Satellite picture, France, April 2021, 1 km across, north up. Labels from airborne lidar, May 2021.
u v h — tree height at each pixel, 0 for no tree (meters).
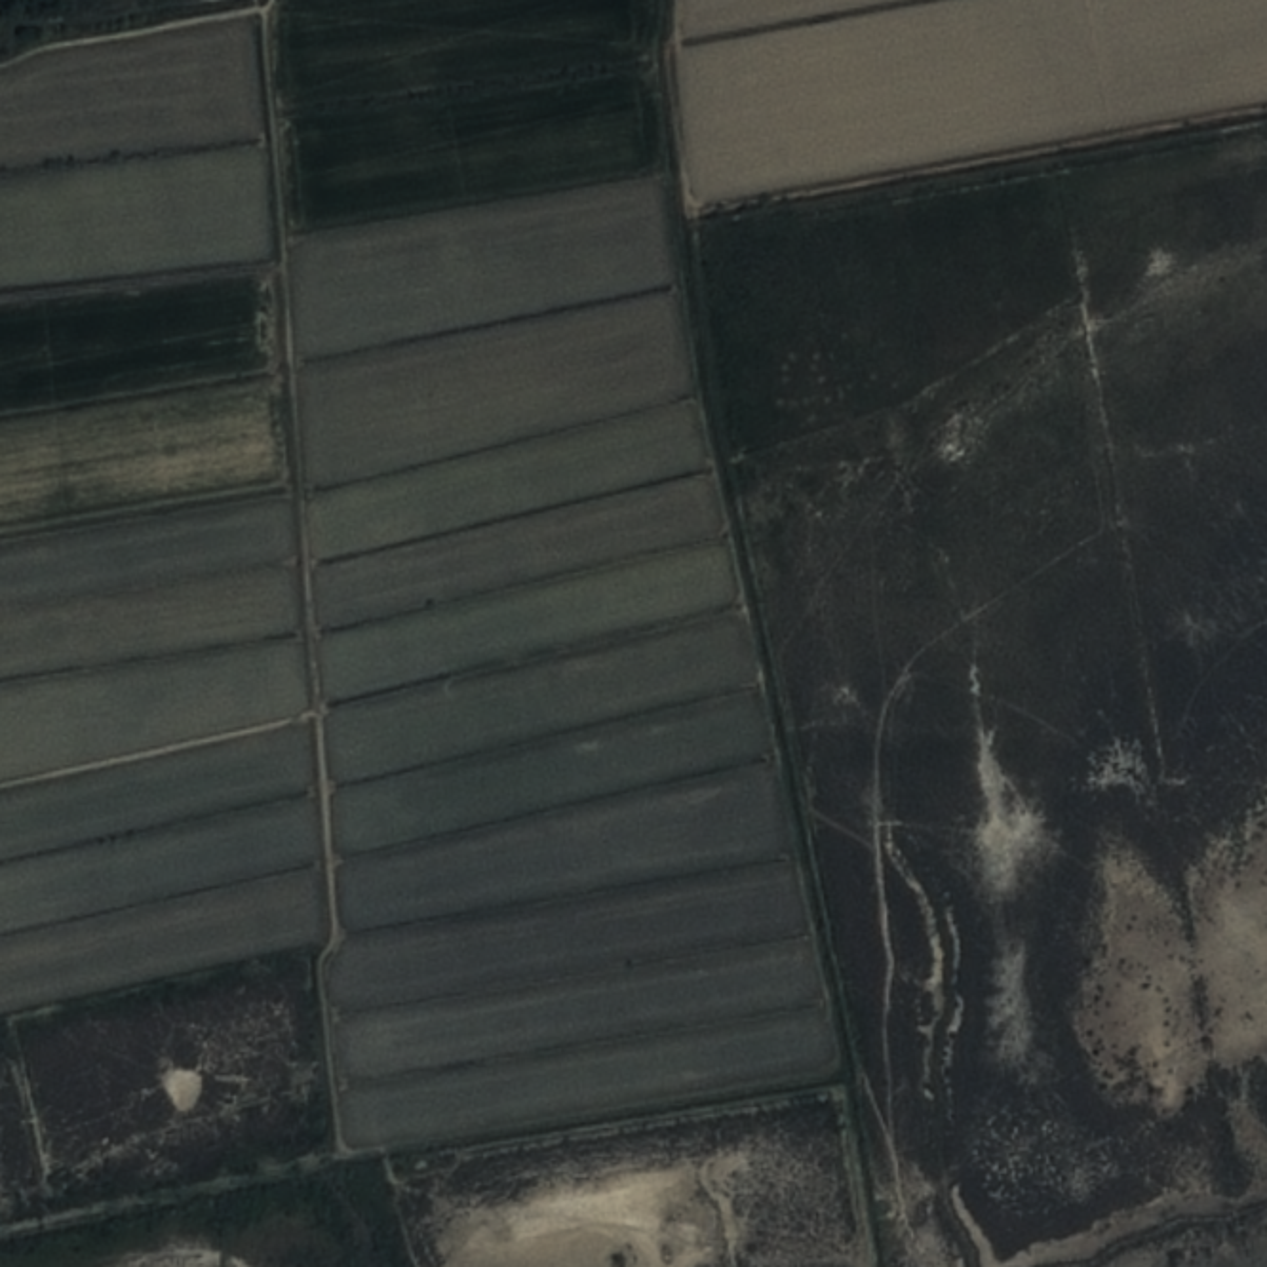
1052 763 0
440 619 0
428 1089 0
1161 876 0
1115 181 0
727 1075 0
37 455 0
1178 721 0
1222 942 0
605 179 0
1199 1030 0
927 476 0
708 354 0
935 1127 0
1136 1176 0
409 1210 0
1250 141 0
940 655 0
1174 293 0
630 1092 0
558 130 0
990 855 0
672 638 0
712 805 0
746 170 0
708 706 0
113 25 7
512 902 0
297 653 0
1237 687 0
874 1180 0
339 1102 0
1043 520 0
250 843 0
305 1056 0
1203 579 0
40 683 0
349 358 0
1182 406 0
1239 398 0
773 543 0
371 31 0
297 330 0
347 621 0
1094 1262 0
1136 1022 0
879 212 0
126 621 0
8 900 0
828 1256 0
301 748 0
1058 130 0
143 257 0
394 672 0
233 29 0
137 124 0
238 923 0
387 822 0
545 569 0
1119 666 0
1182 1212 0
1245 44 0
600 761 0
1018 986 0
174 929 0
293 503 0
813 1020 0
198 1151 0
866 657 0
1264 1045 0
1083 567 0
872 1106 0
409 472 0
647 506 0
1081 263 0
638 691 0
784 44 0
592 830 0
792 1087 0
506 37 0
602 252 0
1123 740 0
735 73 0
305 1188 7
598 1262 0
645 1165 0
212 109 0
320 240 0
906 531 0
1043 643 0
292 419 0
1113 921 0
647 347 0
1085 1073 0
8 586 0
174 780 0
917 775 0
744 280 0
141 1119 0
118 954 0
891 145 0
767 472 0
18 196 0
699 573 0
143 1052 0
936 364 0
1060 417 0
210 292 0
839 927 0
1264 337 0
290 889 0
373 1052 0
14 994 0
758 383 0
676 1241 0
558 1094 0
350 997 0
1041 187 0
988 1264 0
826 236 0
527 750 0
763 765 0
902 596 0
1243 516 0
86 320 0
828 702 0
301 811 0
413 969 0
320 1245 0
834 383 0
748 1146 0
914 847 0
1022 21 0
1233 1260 0
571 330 0
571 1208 0
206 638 0
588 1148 0
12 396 0
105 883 0
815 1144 0
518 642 0
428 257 0
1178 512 0
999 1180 0
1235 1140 0
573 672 0
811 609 0
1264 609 0
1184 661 0
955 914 0
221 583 0
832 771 0
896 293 0
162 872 0
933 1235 0
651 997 0
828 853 0
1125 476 0
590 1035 0
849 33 0
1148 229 0
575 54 0
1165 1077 0
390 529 0
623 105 0
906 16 0
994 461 0
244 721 0
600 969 0
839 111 0
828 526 0
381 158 0
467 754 0
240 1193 7
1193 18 0
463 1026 0
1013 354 0
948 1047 0
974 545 0
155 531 0
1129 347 0
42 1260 0
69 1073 0
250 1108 0
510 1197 0
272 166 0
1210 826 0
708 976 0
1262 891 0
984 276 0
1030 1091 0
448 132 0
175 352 0
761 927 0
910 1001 0
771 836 0
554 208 0
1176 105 0
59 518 0
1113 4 0
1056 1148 0
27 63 0
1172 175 0
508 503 0
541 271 0
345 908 0
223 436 0
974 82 0
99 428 0
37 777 0
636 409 0
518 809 0
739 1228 0
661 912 0
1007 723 0
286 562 0
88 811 0
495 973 0
